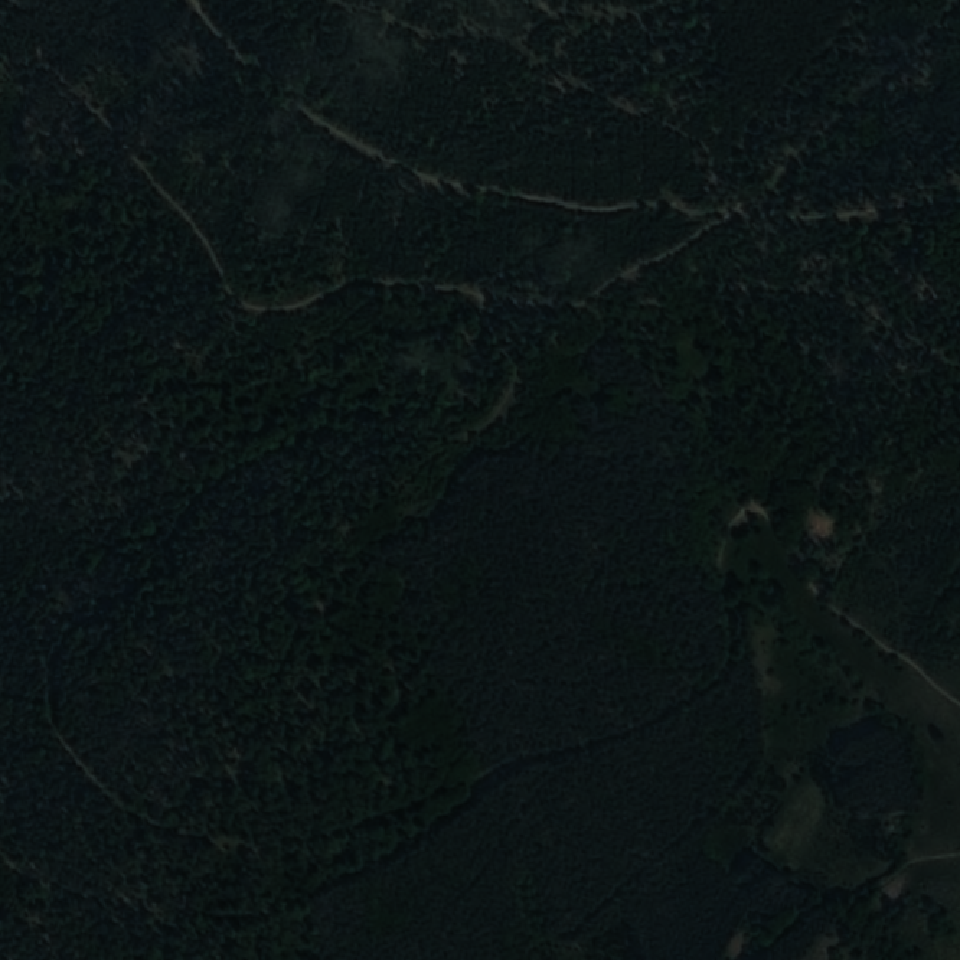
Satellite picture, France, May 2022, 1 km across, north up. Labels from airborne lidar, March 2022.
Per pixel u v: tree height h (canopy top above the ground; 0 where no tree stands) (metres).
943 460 8
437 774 21
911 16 12
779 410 14
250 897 34
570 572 26
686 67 20
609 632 23
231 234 11
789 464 17
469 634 25
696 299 13
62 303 27
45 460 23
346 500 28
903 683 0
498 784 26
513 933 27
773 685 0
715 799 27
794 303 33
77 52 26
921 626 11
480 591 24
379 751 36
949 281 26
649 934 27
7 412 27
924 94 7
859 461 31
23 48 22
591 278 10
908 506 7
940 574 18
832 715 0
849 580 7
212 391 18
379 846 31
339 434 18
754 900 29
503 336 8
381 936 29
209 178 7
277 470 26
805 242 25
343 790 39
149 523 31
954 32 9
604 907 30
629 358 30
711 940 29
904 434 26
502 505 27
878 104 9
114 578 40
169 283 11
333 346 8
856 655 0
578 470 27
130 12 25
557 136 12
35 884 26
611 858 27
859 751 26
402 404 30
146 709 27
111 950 33
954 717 0
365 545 11
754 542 0
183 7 28
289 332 10
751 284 10
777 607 30
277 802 36
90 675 23
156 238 25
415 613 23
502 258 15
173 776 31
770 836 0
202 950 35
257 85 28
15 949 33
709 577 23
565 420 16
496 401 10
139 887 28
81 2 25
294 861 37
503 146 10
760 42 20
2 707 27
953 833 0
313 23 7
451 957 24
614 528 24
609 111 19
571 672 27
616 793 26
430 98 11
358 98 13
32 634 28
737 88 14
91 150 32
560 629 26
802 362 10
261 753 36
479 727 30
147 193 10
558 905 25
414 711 20
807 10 22
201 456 37
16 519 24
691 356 0
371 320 12
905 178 32
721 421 22
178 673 28
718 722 25
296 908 34
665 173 12
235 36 20
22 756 29
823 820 0
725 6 21
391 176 10
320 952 26
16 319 32
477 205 8
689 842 29
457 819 28
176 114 29
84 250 29
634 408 34
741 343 16
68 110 30
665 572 32
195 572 25
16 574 30
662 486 32
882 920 6
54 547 28
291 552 32
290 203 13
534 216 9
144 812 10
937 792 0
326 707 38
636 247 12
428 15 8
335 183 11
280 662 33
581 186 12
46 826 31
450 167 10
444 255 15
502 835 27
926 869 0
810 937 25
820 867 0
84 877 29
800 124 28
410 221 11
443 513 23
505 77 10
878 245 14
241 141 9
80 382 29
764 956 26
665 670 24
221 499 26
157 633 32
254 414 35
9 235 11
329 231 25
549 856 22
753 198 11
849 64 14
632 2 9
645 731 28
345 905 25
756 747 27
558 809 28
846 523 9
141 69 22
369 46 9
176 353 27
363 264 13
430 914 24
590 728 24
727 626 17
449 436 8
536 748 23
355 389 12
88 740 28
